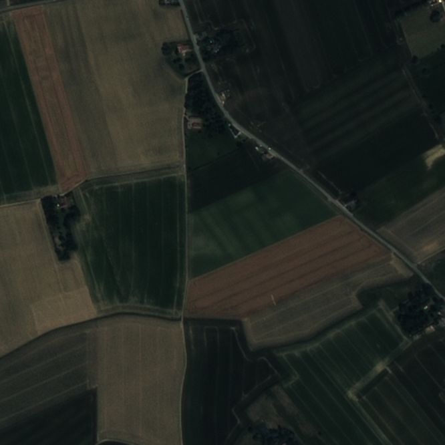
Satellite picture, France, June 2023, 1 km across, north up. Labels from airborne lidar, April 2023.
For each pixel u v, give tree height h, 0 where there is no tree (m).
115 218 0
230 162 0
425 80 0
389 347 0
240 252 0
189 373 0
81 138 0
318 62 0
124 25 0
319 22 0
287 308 0
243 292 0
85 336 0
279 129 0
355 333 0
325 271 0
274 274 0
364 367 0
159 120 0
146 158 0
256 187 0
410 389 0
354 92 0
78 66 0
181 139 0
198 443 0
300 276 0
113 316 0
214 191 0
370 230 0
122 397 0
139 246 0
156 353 0
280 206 0
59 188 0
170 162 0
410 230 0
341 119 0
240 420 0
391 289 0
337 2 0
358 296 0
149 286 0
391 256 0
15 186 0
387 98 0
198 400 0
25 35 0
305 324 0
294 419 0
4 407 0
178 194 0
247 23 0
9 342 0
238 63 0
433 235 0
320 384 0
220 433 0
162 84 0
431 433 0
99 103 0
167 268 0
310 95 0
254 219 0
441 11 0
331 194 0
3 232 0
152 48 0
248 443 0
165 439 0
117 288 0
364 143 0
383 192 0
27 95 0
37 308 0
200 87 12
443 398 0
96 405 0
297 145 0
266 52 0
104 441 0
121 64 0
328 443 0
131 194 0
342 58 0
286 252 0
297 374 0
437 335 0
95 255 0
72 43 0
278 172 0
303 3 0
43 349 0
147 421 0
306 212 0
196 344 0
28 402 0
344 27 0
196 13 0
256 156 0
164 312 0
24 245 0
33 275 0
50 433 0
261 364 0
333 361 0
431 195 0
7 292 0
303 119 0
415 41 0
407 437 0
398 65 0
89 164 0
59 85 0
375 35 0
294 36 0
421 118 0
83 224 0
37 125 0
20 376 0
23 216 0
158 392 0
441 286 0
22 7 0
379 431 0
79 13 0
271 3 0
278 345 0
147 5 0
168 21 0
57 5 0
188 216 0
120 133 0
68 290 0
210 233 0
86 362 0
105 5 0
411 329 21
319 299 0
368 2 0
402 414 0
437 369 0
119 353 0
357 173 0
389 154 0
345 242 0
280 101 0
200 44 9
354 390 0
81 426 0
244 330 0
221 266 0
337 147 0
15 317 0
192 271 0
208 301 0
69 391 0
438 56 0
